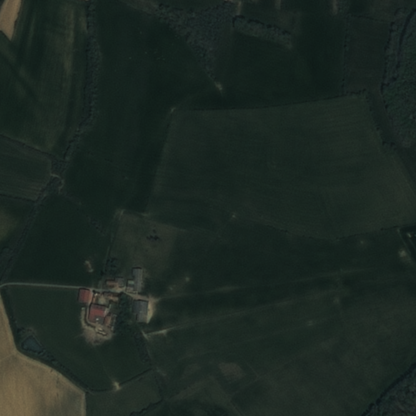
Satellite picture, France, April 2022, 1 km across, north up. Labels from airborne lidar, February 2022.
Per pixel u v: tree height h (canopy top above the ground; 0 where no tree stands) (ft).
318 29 0
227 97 0
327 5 0
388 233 0
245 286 0
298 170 0
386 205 0
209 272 0
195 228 0
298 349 0
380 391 0
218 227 0
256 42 0
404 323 0
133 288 0
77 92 0
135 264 0
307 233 0
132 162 0
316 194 0
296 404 0
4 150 0
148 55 0
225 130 0
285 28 0
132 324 0
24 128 0
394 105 68
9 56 0
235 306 0
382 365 0
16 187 0
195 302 0
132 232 0
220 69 0
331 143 0
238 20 52
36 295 0
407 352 0
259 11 0
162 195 0
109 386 0
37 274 0
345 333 0
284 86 0
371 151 0
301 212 0
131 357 0
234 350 0
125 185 0
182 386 0
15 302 0
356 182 0
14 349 0
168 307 0
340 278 0
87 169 0
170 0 0
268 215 0
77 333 0
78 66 0
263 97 0
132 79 0
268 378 0
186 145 0
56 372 0
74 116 0
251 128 0
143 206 0
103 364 0
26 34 0
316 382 0
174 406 0
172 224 0
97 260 0
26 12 0
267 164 0
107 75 0
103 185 0
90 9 39
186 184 0
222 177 0
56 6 0
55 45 0
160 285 0
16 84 0
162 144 0
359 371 0
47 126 0
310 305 0
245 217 0
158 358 0
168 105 0
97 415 0
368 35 0
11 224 0
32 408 0
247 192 0
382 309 0
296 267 0
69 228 0
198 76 0
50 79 0
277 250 0
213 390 0
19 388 0
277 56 0
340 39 0
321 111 0
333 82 0
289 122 0
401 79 58
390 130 0
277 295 0
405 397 83
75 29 0
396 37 46
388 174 0
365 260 0
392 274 0
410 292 0
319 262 0
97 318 0
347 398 0
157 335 0
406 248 0
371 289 0
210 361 0
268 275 0
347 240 0
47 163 0
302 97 0
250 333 0
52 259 0
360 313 0
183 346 0
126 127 0
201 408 0
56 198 0
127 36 0
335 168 0
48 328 0
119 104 0
